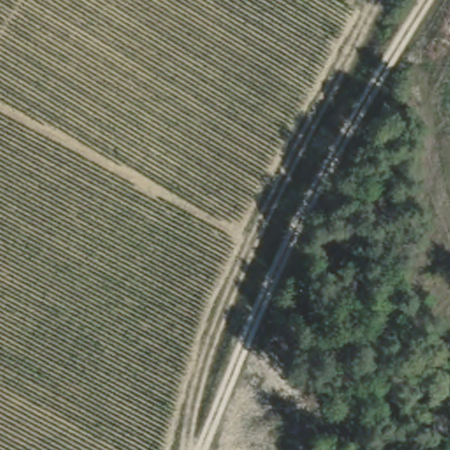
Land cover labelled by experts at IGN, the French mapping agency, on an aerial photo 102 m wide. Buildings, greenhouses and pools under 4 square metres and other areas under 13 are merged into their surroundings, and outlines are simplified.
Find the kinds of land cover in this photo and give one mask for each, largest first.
<instances>
[{"label":"vineyard","instance_id":"1","mask_svg":"<svg viewBox=\"0 0 450 450\"><path fill-rule=\"evenodd\" d=\"M367 4L366 0H0V450H163V436L172 415L174 399L178 396L181 376L185 373L186 360L190 355L204 301L213 290L221 265L225 264L229 257L232 243L241 248L244 227L248 225L251 214L257 207L255 200L264 190V186L274 178L272 174L281 163L285 141L279 137L278 127L283 123L287 125L288 130H294L295 121L302 114V98L306 97V91L315 81L318 67H322L323 62L327 60L330 40L336 39L341 32L346 23V16L355 9H362Z\"/></svg>","mask_w":450,"mask_h":450},{"label":"deciduous trees","instance_id":"2","mask_svg":"<svg viewBox=\"0 0 450 450\"><path fill-rule=\"evenodd\" d=\"M417 0H403V9H396L385 23L387 35L392 39L396 37L397 30L403 25L404 19L408 18ZM410 123H404L399 114H394L385 121L378 118L369 125V128L359 132L366 139L367 146L357 149L352 174L339 186L341 192L352 197V204L343 206L332 214L318 209L309 216L308 230L315 234V241L304 250V253L315 255V267L311 269L309 299L311 308L315 309L318 315H322L323 320L308 327L301 315L290 316L288 323L294 327V337L290 339L283 359H279L274 353L267 357L269 366L272 369H279L281 378L287 380L290 387L301 390L302 396L315 397L318 403L311 413L322 418V431L304 436V445L308 446L309 450H450V320L446 316L432 315L431 308L427 306L429 294L422 285H411V276L415 269H418L415 264L418 246L424 243L425 229L432 223L431 214L413 199V179L408 176V169L415 160L413 149L417 148L420 134L424 132V123L413 112H410ZM287 308L294 304V278H290L287 279V288L279 302Z\"/></svg>","mask_w":450,"mask_h":450},{"label":"herbaceous vegetation","instance_id":"3","mask_svg":"<svg viewBox=\"0 0 450 450\"><path fill-rule=\"evenodd\" d=\"M373 4L380 5L381 11L367 33L366 42L357 51V60L343 77L336 97L327 105V111L320 116L313 137H309L306 153L292 172V181L281 195L274 216L267 221L264 229L258 232L255 257L251 262H241L244 279H236V302L232 308L225 311L227 323L207 376L204 397L195 424V436L199 438L204 427L221 376L225 373L230 353L234 350L232 346L236 345L237 337L241 336L244 322L248 318V306L257 299L262 281L264 278L271 281V301L267 304L264 318L253 337V343L246 348L248 353L244 357L241 373L230 392L229 401L221 415L220 424L216 427L209 450H309L308 446L304 445V436L322 431V418L311 413L318 403L315 397L302 396L301 390L290 387L287 380L281 378L279 369H272L269 366L267 357L274 353L279 359H283L290 339L294 337V327L288 323L290 316L301 315L308 327L323 320L322 315H318L315 309L311 308L309 299L311 269L315 267V255L304 253V250L315 241V234L308 230L309 216L318 209L332 214L343 206L352 204V197L341 192L339 186L352 174L357 149L367 146L366 139L359 132L369 128V125L378 118L385 121L394 114H399L404 123H410V112H413L424 123V132L420 134L417 148L413 149L415 160L408 169V176L413 179V199L431 214L432 223L425 229L424 243L418 246L415 264L418 269H415L411 276V285H422L429 294L427 306L431 308L432 315L446 316L450 320V0H434L431 9L425 14L424 21L418 25L417 32L413 33L408 46L404 47L396 65L388 70L387 79L381 84L378 95L367 109L359 127L355 128L353 135L341 134V127L352 112L353 102L360 97L369 79L373 77L374 69L383 62V54L392 39L387 35L385 23L396 9H403V0H373ZM330 144L336 146L339 156L336 171L332 172L329 178L330 188L320 193V197L311 195L308 209L304 213L308 221L302 223L299 241L292 248L290 241L294 232L290 230V221L301 206L304 192L309 190L311 181L320 171V165L329 155ZM290 278H294V304L287 308L279 302L287 288V279Z\"/></svg>","mask_w":450,"mask_h":450},{"label":"pervious surface","instance_id":"4","mask_svg":"<svg viewBox=\"0 0 450 450\"><path fill-rule=\"evenodd\" d=\"M367 4L362 9H355L346 16V23L341 32L336 39L330 40L327 60L323 62L322 67H318L315 81L306 91V97L302 98V114L295 121L294 130H288L287 125L283 123L278 127L279 137L285 141L281 163L272 174L274 178L264 186V190L255 200L257 207L251 214L248 225L244 227L241 248L232 243L229 257L225 264L221 265L213 290L204 301L190 355L186 360L185 373L181 376L178 396L174 399L172 415L163 436V450H209L216 427L220 424L221 415L229 401L230 392L241 373L244 357L248 353L246 348L253 343V337L264 318L267 304L271 301V281L264 278L262 281L257 299L248 306V318L244 322L241 336L237 337L236 345L232 346L234 350L230 353L225 373L221 376L204 427L199 438L195 436V424L204 397L207 376L227 323L225 311L232 308L236 302V279H244L241 262H251L255 257L258 232L264 229L267 221L274 216L281 195L292 181V172L306 153L309 137H313L320 116L327 111V105L336 97L343 77L357 60V51L366 42L367 33L381 11L380 5L373 4V0H366ZM434 0H417L408 18L404 19L403 25L397 30L396 37L392 39L383 54V62L374 69L373 77L369 79L360 97L353 102L352 112L341 127V134L353 135L355 128L359 127L367 109L378 95L381 84L387 79L388 70L396 65L404 47L408 46L413 33L417 32L418 25L424 21L425 14L431 9ZM339 156L336 146L330 144L329 155L320 165V171L311 181L309 190L304 192L301 206L290 221V230L294 232L290 241L292 248L299 241L302 223L308 221L304 213L308 209L311 195L320 197V193L330 188L329 178L332 172L336 171Z\"/></svg>","mask_w":450,"mask_h":450}]
</instances>
